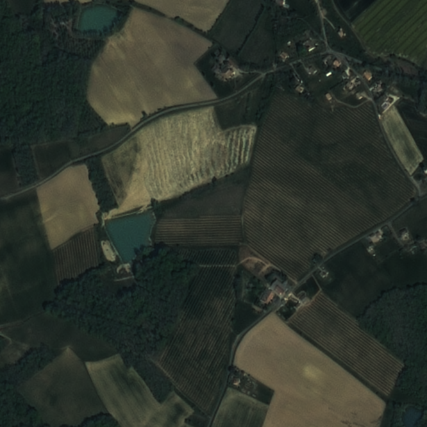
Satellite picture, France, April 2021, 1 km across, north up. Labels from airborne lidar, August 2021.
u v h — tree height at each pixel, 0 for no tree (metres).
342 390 0
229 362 0
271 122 0
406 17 0
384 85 8
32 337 0
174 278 28
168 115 0
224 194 0
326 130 0
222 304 0
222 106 0
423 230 0
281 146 0
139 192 0
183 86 0
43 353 16
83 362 0
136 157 0
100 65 0
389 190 0
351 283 0
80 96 23
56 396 0
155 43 0
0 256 0
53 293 0
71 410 0
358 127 0
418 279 0
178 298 19
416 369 22
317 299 0
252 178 0
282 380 0
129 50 0
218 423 0
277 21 8
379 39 0
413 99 11
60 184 0
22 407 24
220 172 0
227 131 0
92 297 23
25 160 16
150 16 0
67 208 0
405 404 7
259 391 0
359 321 8
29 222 0
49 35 11
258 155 0
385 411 0
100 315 16
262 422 0
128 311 24
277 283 0
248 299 0
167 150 0
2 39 25
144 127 0
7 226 0
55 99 24
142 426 0
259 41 0
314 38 6
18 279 0
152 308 21
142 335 21
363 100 0
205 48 0
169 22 0
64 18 20
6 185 0
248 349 0
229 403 0
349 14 0
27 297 0
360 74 0
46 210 0
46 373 0
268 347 0
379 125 0
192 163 0
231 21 0
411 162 0
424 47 0
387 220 0
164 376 15
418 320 21
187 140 0
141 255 15
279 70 13
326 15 0
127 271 0
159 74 0
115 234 0
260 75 0
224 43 0
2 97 23
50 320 0
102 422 22
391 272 0
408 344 21
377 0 0
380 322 17
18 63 24
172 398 0
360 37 0
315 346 0
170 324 20
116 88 0
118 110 0
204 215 0
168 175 0
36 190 0
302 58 12
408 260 0
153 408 0
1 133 18
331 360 0
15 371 18
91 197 0
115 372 0
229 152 0
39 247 0
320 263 15
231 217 0
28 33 13
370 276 0
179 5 0
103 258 7
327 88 0
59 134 17
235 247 0
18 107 14
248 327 0
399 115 0
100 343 0
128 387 0
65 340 0
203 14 0
